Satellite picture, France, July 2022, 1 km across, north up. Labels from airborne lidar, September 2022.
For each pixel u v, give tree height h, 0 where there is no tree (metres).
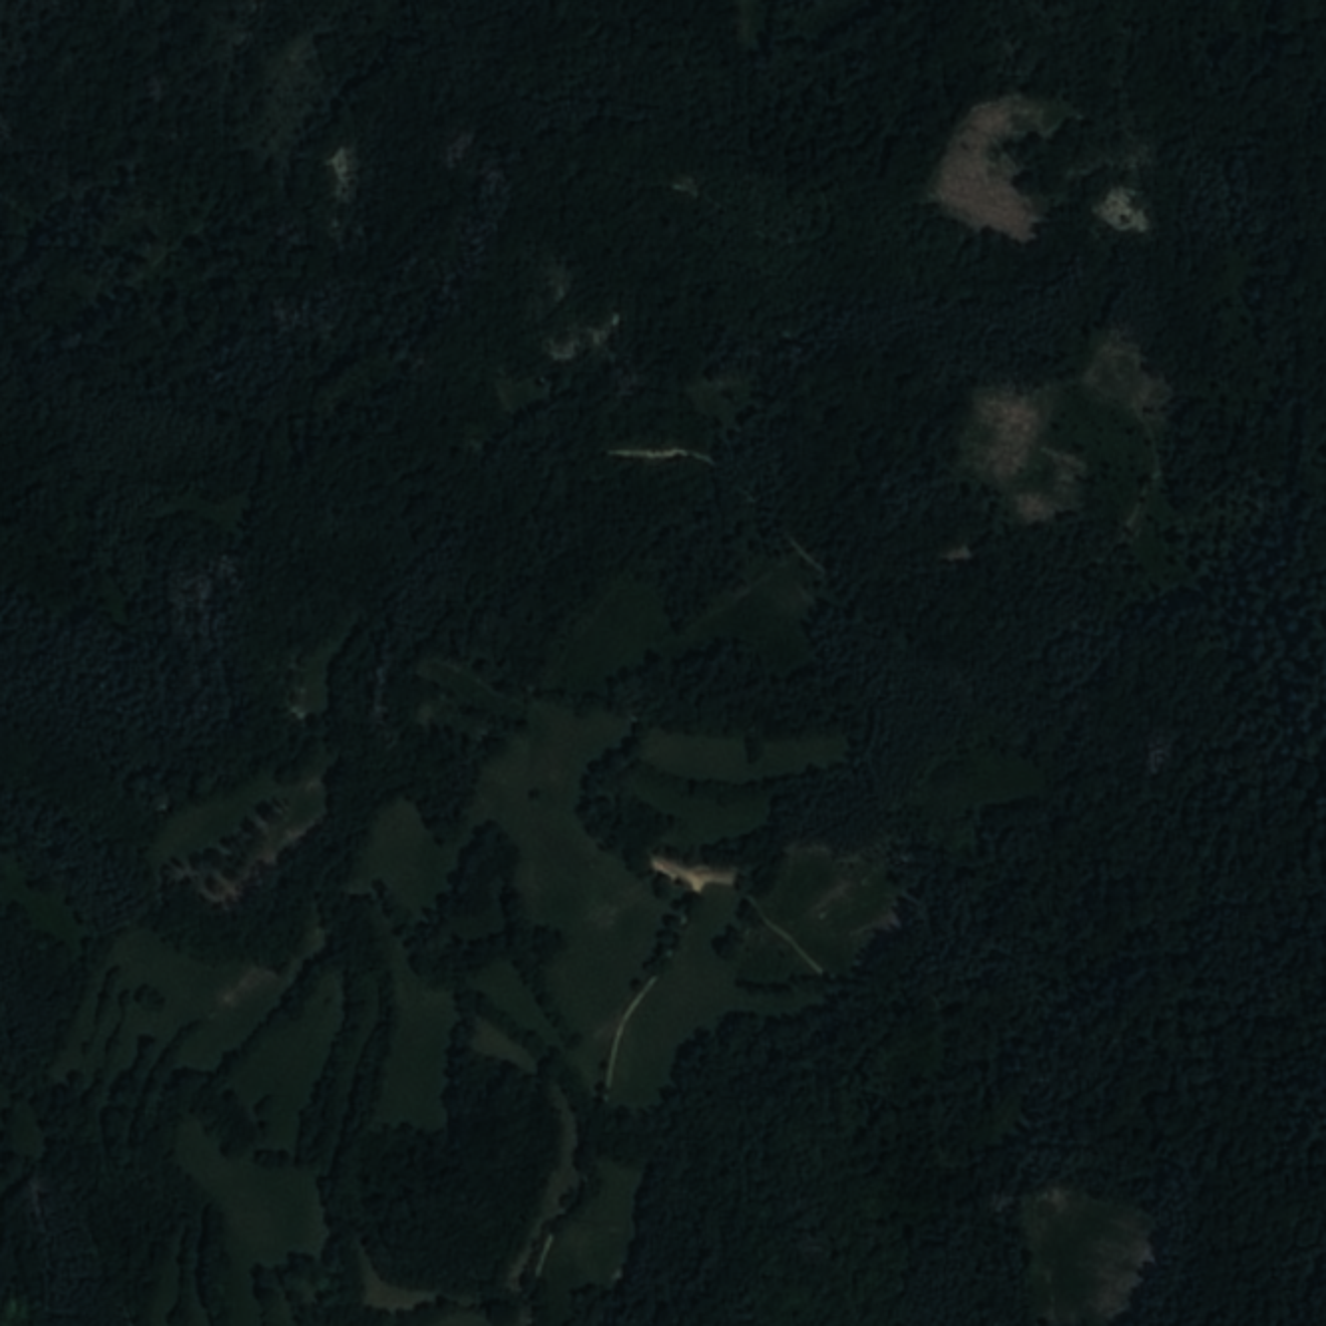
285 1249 0
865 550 18
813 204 7
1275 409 14
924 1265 25
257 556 14
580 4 12
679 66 11
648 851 13
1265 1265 18
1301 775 29
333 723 16
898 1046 16
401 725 13
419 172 16
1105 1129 21
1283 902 21
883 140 13
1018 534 13
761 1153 17
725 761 0
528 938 21
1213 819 15
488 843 20
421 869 0
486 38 11
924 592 16
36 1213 14
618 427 13
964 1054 20
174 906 16
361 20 12
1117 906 31
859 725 18
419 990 0
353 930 19
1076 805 25
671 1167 20
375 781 10
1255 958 22
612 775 17
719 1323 9
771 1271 8
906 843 6
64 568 7
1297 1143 23
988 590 16
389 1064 11
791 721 17
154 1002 8
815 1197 11
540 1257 7
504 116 13
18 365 21
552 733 0
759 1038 18
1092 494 7
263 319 11
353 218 11
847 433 15
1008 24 8
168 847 0
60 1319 17
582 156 9
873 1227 21
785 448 18
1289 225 25
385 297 22
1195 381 19
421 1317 15
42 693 33
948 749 10
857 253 13
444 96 14
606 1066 10
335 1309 14
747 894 11
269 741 13
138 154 24
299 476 16
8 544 17
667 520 14
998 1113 12
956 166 0
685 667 15
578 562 15
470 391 11
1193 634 35
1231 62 30
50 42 17
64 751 19
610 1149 13
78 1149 15
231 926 16
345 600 18
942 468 21
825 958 0
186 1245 9
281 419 19
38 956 15
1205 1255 26
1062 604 24
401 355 30
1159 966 29
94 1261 19
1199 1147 25
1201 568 28
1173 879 20
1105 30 10
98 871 27
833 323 19
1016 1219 23
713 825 0
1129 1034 12
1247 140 16
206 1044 0
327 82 8
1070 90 16
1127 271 20
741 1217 14
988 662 16
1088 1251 0
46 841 10
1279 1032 23
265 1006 0
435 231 24
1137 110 10
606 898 0
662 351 11
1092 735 25
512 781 0
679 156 11
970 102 22
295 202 15
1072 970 21
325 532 12
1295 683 25
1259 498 27
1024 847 23
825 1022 23
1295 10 24
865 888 0
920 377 20
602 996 0
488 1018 15
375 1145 9
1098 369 0
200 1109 14
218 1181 0
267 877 22
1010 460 0
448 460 12
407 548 26
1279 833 28
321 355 17
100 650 27
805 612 0
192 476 9
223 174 12
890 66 18
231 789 13
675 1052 0
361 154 8
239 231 24
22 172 19
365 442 18
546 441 13
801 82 14
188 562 17
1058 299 0
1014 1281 16
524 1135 20
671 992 0
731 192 8
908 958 15
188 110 10
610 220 12
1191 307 19
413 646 8
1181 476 13
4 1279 21
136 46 16
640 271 14
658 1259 22
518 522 16
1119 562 8
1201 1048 24
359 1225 14
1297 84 8
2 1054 24
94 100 12
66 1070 0
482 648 16
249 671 14
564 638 11
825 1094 17
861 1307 7
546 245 8
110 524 15
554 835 0
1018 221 0
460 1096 23
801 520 7
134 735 27
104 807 15
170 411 22
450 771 7
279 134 7
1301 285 26
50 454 17
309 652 16
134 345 25
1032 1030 23
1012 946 23
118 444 19
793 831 23
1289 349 20
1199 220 23
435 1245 13
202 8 11
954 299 13
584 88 14
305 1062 0
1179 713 13
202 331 24
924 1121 19
